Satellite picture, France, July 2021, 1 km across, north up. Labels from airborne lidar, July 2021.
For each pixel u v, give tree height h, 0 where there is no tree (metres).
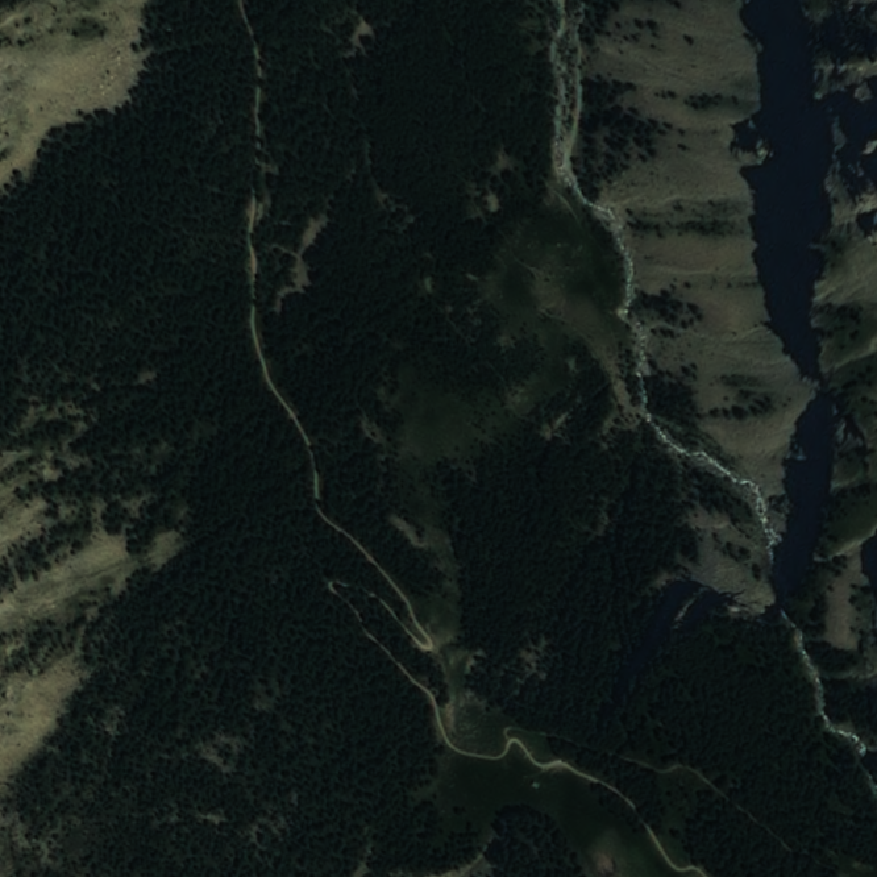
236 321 17
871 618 0
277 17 18
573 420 10
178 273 19
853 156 0
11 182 6
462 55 23
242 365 11
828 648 9
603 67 0
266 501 18
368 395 13
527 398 0
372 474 19
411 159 18
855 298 0
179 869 9
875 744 8
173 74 12
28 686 0
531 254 0
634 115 12
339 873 12
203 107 19
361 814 19
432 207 22
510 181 19
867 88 0
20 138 0
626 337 0
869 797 18
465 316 10
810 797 23
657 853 0
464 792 0
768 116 0
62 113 0
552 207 0
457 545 14
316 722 14
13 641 0
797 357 0
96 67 0
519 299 0
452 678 0
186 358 13
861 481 0
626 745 19
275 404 8
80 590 0
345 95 18
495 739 0
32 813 7
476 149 22
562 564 18
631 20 0
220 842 9
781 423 0
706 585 0
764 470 0
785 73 0
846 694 15
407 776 11
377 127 22
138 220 20
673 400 14
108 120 22
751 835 13
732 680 20
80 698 14
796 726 20
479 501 17
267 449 11
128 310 17
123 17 0
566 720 18
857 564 0
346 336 16
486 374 8
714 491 15
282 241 12
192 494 17
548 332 0
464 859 7
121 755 9
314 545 19
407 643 14
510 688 10
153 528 17
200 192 21
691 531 7
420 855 13
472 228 22
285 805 11
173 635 12
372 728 15
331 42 19
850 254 0
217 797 11
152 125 25
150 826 11
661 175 0
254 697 11
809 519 0
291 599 18
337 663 16
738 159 0
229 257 14
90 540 0
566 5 7
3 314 15
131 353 15
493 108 21
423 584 12
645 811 14
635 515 20
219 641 9
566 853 13
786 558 0
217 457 18
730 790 13
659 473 16
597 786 12
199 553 15
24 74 0
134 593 16
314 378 10
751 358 0
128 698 6
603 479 20
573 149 0
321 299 16
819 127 0
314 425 9
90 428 7
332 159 20
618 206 0
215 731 9
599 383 10
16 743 0
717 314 0
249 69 17
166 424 19
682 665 16
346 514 19
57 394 7
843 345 7
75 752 13
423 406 0
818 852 12
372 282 21
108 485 14
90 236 26
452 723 0
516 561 16
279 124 25
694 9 0
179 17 18
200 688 13
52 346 19
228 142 16
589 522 14
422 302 9
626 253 0
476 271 8
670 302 7
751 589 0
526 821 15
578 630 21
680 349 0
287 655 9
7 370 14
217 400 12
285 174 22
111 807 10
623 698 19
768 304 0
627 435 12
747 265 0
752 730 19
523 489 10
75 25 0
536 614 8
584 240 0
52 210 24
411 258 22
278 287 11
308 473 17
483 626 14
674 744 15
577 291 0
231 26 14
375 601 15
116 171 20
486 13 26
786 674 17
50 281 11
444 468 10
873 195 0
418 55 23
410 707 17
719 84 0
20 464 9
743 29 0
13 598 0
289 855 11
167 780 13
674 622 10
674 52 0
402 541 10
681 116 0
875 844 22
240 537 11
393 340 15
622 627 15
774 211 0
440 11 21
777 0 0
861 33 6
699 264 0
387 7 29
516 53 17
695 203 0
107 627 6
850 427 0
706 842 19
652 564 20
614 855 0
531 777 0
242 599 15
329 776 15
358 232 17
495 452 7
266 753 15
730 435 0
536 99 19
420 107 17
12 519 0
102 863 7
